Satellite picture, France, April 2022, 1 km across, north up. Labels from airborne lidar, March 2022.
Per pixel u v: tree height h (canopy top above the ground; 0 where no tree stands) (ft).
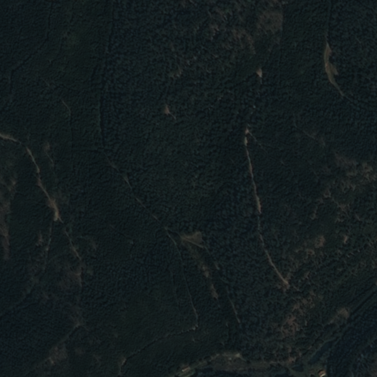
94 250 68
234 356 0
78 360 64
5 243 38
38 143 54
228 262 94
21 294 63
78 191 77
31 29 82
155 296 28
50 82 91
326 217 32
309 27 76
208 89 24
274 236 83
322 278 102
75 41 44
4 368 73
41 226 35
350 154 58
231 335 64
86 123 85
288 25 60
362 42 86
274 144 40
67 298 73
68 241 50
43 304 47
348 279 97
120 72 107
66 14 76
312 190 56
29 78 83
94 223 88
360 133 79
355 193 24
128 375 75
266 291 47
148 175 85
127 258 85
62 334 50
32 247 38
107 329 68
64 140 64
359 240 40
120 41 88
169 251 79
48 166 47
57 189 31
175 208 91
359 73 64
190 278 94
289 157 60
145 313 54
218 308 75
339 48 103
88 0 55
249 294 108
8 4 70
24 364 61
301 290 71
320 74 81
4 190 48
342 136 42
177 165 76
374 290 89
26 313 73
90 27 66
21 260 29
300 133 59
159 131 74
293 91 43
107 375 52
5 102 52
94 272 45
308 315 33
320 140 58
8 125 66
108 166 100
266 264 93
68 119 46
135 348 43
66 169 72
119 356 66
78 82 89
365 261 82
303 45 84
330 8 96
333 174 52
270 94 52
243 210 105
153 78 71
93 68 43
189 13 37
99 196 99
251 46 40
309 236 31
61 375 49
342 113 86
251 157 36
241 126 75
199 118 79
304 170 42
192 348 29
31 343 57
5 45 65
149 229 73
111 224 81
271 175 34
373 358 90
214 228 91
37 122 70
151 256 73
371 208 48
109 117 61
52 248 38
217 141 98
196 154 73
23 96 83
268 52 72
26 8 83
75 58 48
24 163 39
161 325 57
